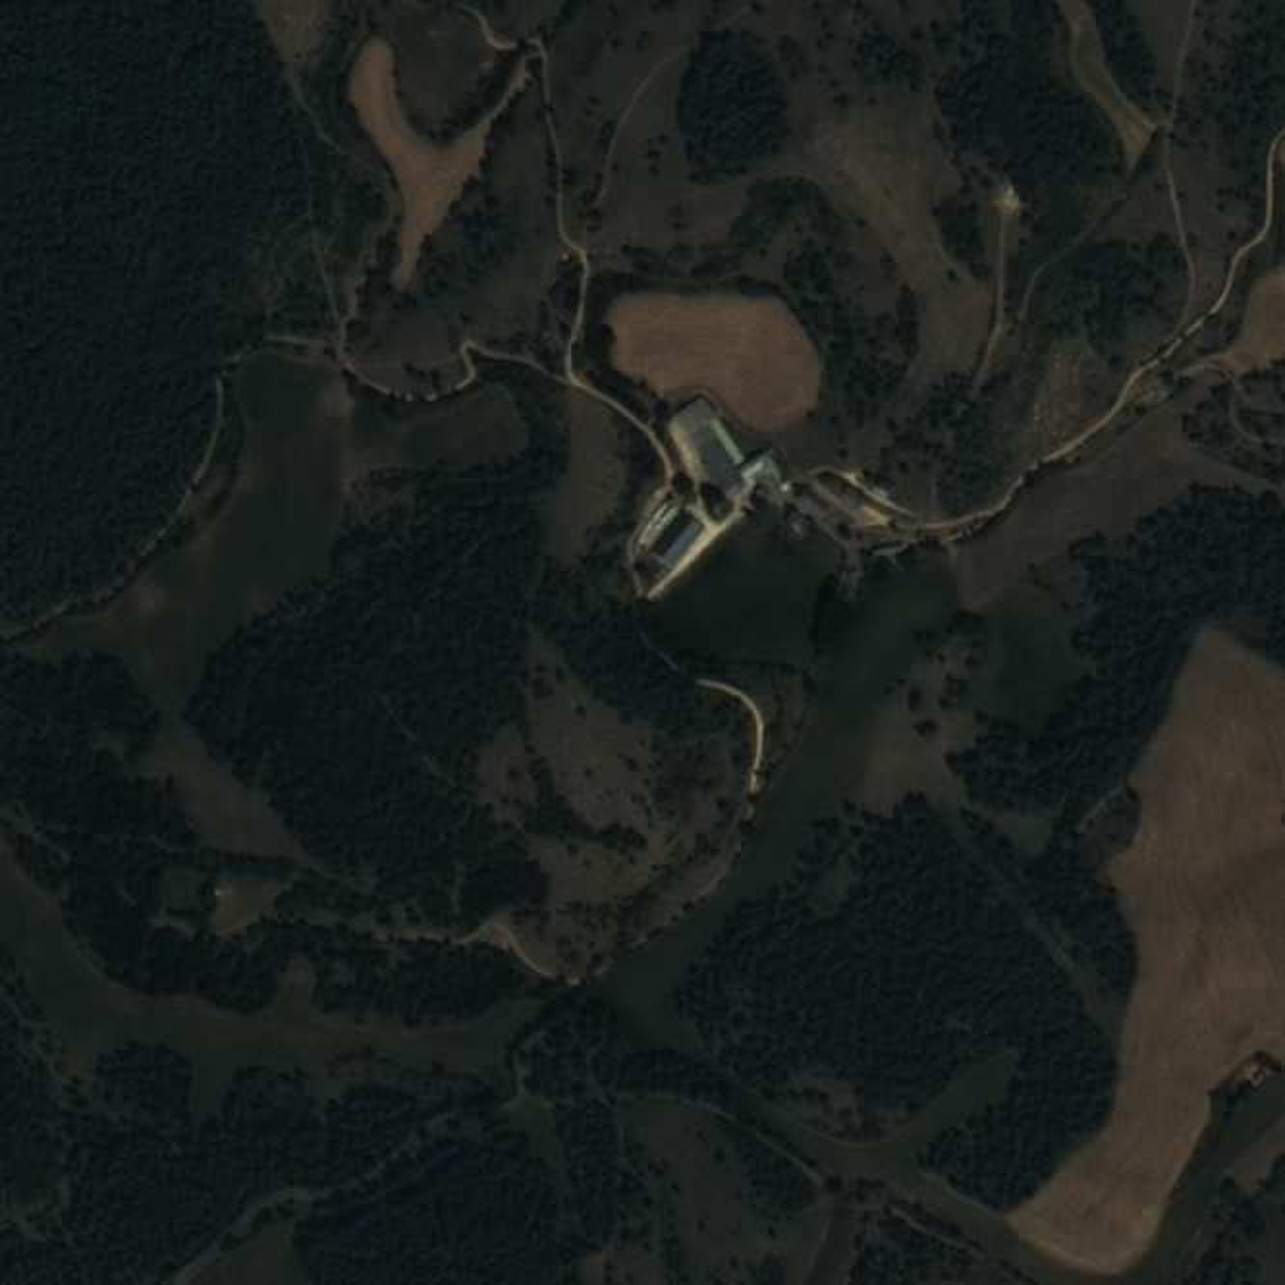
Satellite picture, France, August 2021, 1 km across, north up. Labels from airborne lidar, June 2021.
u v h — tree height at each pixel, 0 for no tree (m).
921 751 0
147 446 17
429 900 11
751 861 0
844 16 0
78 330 19
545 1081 13
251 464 0
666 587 0
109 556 16
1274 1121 0
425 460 0
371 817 10
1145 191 0
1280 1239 0
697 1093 14
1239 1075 0
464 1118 9
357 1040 0
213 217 14
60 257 19
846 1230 0
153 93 17
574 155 0
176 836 11
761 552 0
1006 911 9
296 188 11
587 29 0
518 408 7
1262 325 0
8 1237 9
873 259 0
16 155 19
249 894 0
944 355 0
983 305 0
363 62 0
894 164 0
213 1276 0
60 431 18
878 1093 11
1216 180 0
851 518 0
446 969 12
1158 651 9
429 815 9
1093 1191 0
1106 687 8
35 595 14
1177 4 0
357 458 0
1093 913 14
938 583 0
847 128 0
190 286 14
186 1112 11
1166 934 0
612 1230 12
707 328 0
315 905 11
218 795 0
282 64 12
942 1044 11
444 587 6
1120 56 9
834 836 15
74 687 11
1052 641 0
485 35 0
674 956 0
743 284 11
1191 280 0
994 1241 0
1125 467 0
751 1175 7
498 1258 12
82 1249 13
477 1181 14
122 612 0
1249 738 0
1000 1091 0
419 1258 11
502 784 0
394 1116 17
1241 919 0
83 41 19
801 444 0
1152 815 0
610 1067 11
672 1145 0
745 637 0
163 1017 0
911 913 9
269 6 0
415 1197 15
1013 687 0
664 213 0
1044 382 0
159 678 0
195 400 16
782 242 0
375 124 0
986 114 12
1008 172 9
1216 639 0
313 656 11
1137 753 9
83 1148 10
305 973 0
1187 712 0
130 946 14
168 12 8
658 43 0
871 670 0
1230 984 0
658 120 0
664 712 9
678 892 0
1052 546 0
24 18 20
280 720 10
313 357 0
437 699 6
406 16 0
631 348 0
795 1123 0
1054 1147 14
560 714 0
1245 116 14
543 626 6
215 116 17
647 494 0
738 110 15
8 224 17
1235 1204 10
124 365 15
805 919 11
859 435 0
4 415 19
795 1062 12
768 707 0
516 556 9
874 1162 0
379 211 6
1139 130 0
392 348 0
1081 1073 11
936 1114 0
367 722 9
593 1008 10
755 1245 0
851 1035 12
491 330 0
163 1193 19
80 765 10
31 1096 10
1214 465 0
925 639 11
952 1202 0
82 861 10
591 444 0
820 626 13
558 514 0
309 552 0
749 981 12
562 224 0
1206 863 0
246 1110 13
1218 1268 13
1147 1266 0
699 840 7
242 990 11
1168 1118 0
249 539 0
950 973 13
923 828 14
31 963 0
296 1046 0
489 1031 0
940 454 9
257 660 9
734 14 0
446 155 0
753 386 0
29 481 18
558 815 9
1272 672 0
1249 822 0
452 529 7
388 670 8
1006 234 0
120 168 14
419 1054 0
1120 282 10
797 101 0
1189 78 0
